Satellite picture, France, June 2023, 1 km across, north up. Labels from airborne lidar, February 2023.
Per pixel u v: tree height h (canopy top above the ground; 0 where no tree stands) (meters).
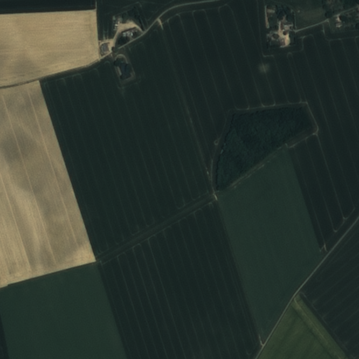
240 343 0
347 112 0
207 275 0
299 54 0
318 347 0
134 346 0
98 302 0
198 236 0
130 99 0
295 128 21
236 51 0
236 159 17
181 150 0
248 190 0
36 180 0
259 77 0
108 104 0
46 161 0
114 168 0
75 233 0
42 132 0
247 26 0
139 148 0
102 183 0
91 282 0
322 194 0
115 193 0
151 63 0
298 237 0
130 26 0
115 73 0
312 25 0
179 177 0
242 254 0
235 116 13
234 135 20
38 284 0
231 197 0
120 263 0
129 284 0
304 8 0
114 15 0
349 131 0
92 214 0
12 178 0
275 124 22
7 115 0
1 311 0
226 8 0
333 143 0
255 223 0
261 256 0
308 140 0
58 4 0
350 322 0
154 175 0
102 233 0
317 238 0
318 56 0
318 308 0
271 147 19
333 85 0
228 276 0
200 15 0
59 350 0
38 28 0
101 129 0
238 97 0
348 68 0
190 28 0
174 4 0
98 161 0
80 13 0
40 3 0
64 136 0
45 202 0
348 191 0
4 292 0
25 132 0
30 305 0
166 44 0
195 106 0
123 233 0
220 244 0
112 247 0
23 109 0
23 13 0
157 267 0
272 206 0
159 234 0
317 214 0
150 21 0
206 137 0
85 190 0
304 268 0
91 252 0
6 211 0
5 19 0
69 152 0
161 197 0
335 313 0
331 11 6
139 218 0
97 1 0
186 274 0
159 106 0
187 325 0
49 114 0
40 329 0
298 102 0
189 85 0
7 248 0
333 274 0
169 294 0
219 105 0
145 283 0
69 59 0
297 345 0
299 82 0
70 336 0
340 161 0
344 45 0
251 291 0
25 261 0
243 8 0
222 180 15
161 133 0
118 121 0
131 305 0
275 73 0
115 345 0
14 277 0
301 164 0
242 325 0
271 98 0
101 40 0
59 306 0
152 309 0
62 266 0
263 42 0
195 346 0
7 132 0
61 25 0
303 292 0
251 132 19
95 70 0
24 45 0
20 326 0
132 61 0
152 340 0
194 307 0
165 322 0
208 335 0
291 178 0
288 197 0
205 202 0
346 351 0
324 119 0
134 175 0
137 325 0
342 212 0
